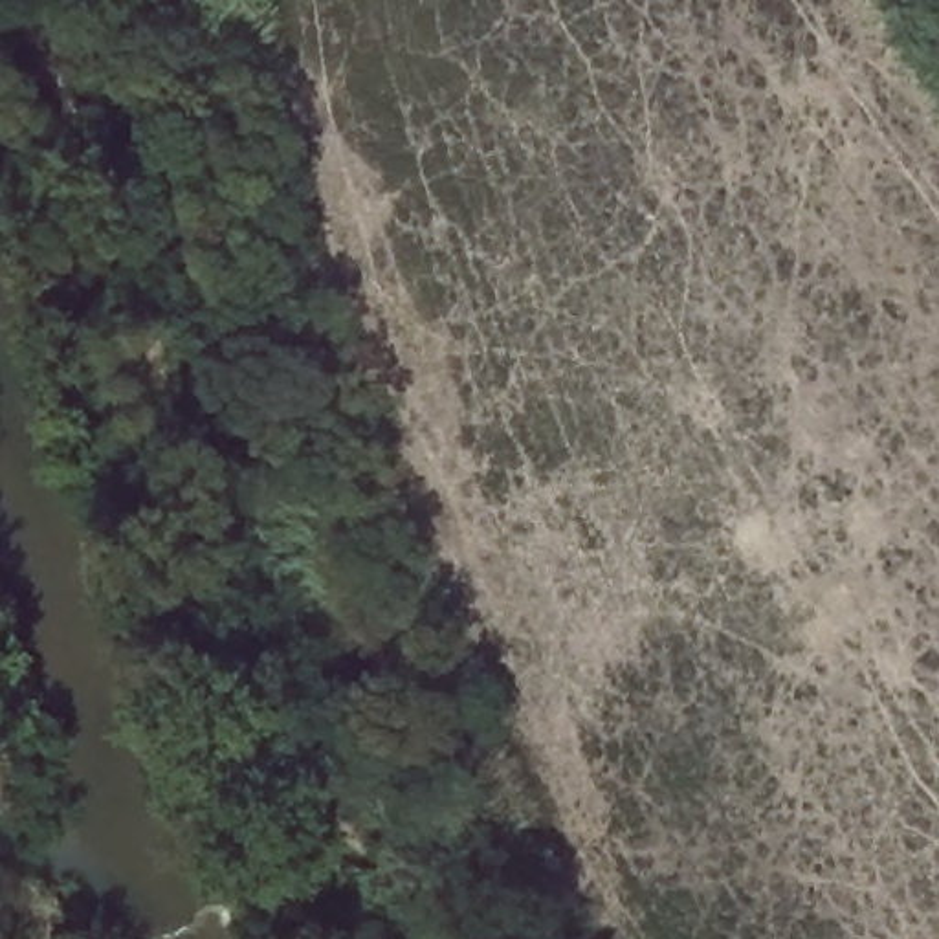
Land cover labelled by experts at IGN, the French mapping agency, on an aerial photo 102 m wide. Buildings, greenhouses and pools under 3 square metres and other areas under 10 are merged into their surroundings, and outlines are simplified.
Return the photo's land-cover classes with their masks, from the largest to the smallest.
<instances>
[{"label":"herbaceous vegetation","instance_id":"1","mask_svg":"<svg viewBox=\"0 0 939 939\"><path fill-rule=\"evenodd\" d=\"M297 62L304 77L315 84V114L323 128L315 180L326 213V249L345 253L359 264L367 293L363 326L385 334L396 359L411 370V385L400 403L403 458L414 466L418 477H425V484L444 503L433 521L440 558L470 576L473 609L488 616V627L495 635H503V664L517 679V734L536 752V774L547 781L558 803V825L569 836L580 862V888L602 899L598 924L613 928V939H939V110L932 92L921 88L917 73L888 44L884 11L877 0H297Z\"/></svg>","mask_w":939,"mask_h":939},{"label":"deciduous trees","instance_id":"2","mask_svg":"<svg viewBox=\"0 0 939 939\"><path fill-rule=\"evenodd\" d=\"M297 0H0V444L15 440L22 429L29 433L33 484L48 492V503L55 506L77 547L81 616L92 624L95 664L106 671V741L114 748H125L139 763L132 789L147 811V858L161 877L183 880L202 913L220 917L224 939H613V928L598 924L602 899L580 888V862L569 836L558 825V803L547 781L536 774V752L517 734V679L503 664V635H495L488 627V616L473 609L470 576L440 558L433 521L444 503L425 484V477H418L414 466L403 458L400 403L411 385V370L396 359L385 334L363 326L367 293L359 264L345 253L326 249V213L315 180L323 128L315 114V84L304 77L297 62ZM884 11L888 44L917 73L921 88L932 92L939 110V0H877ZM22 532V521L0 514V939H125L117 924L99 921L73 895V880H55V869L48 862V855L77 829V807L70 803V789L59 785V778L66 770L62 737L77 730V708L73 693L51 682V675L44 671V646L29 631L40 620V605L33 583L18 576L26 565L22 550L11 547V536Z\"/></svg>","mask_w":939,"mask_h":939},{"label":"water","instance_id":"3","mask_svg":"<svg viewBox=\"0 0 939 939\"><path fill-rule=\"evenodd\" d=\"M0 514L22 521V532L11 536V547L22 550L26 565L18 576L33 583L40 605V620L29 631L44 646V671L51 675V682L73 693L77 708V730L62 737L66 770L59 778V785L70 789V803L77 807V829L48 855V862L55 869V880H73V895L99 921L117 924L125 939H224L220 917L202 913L183 880L161 877L147 858V811L132 789L139 763L125 748H114L106 741V671L95 664L92 624L81 616L77 547L55 506L48 503V492L33 484L29 433L22 429L15 440L0 444Z\"/></svg>","mask_w":939,"mask_h":939}]
</instances>
